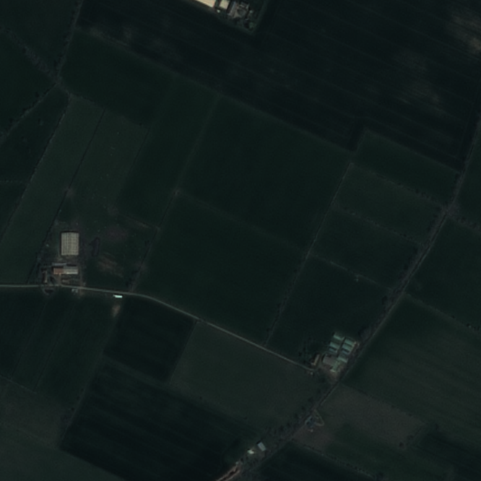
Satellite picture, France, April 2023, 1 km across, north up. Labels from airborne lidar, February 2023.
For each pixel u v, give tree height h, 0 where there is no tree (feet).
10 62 0
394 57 0
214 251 0
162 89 0
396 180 0
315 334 0
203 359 0
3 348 0
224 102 0
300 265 27
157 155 0
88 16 0
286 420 0
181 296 0
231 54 0
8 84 0
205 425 0
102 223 0
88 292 0
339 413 0
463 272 0
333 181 0
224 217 0
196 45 0
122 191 0
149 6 0
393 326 0
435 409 0
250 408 0
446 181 0
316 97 0
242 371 0
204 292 0
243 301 0
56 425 0
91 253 0
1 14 0
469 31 0
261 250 0
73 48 0
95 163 0
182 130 0
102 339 0
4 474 0
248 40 0
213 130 0
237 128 0
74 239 0
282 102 0
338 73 0
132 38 0
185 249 0
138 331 0
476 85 0
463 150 0
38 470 0
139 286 0
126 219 0
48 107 0
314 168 0
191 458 0
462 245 0
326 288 0
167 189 0
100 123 0
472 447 0
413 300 0
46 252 0
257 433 0
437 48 0
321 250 0
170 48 0
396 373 0
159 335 0
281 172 0
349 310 0
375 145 0
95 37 0
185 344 0
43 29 0
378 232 0
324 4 0
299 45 0
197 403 0
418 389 0
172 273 0
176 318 0
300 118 0
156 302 0
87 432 0
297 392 0
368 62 0
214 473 0
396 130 0
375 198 0
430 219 0
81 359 0
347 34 0
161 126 0
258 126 0
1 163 0
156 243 0
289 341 0
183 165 0
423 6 0
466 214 0
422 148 0
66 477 0
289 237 0
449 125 0
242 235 0
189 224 0
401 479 0
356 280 0
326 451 0
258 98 0
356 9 0
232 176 0
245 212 0
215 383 0
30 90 0
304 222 0
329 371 0
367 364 0
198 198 0
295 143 0
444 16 0
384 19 0
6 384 0
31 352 0
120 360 0
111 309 0
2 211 0
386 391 0
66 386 0
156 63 0
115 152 0
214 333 0
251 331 0
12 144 0
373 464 0
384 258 0
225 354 0
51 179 0
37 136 0
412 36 0
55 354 0
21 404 0
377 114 0
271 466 0
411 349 0
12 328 0
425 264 0
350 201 0
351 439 0
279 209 0
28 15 0
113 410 0
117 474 0
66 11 0
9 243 0
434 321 0
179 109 0
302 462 0
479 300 0
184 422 0
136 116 0
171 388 0
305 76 0
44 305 0
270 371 0
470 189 0
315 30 0
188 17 0
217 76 0
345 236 0
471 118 0
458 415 0
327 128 0
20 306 0
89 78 0
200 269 0
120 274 0
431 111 0
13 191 0
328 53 0
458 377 0
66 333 0
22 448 0
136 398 0
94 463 0
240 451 0
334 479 0
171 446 0
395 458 0
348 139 0
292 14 0
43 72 47
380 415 0
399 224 0
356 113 0
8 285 0
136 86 0
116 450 0
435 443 0
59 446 0
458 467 0
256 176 0
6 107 0
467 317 0
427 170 0
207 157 0
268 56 0
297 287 0
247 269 0
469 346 0
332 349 0
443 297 0
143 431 0
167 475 0
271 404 0
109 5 0
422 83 0
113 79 0
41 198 0
